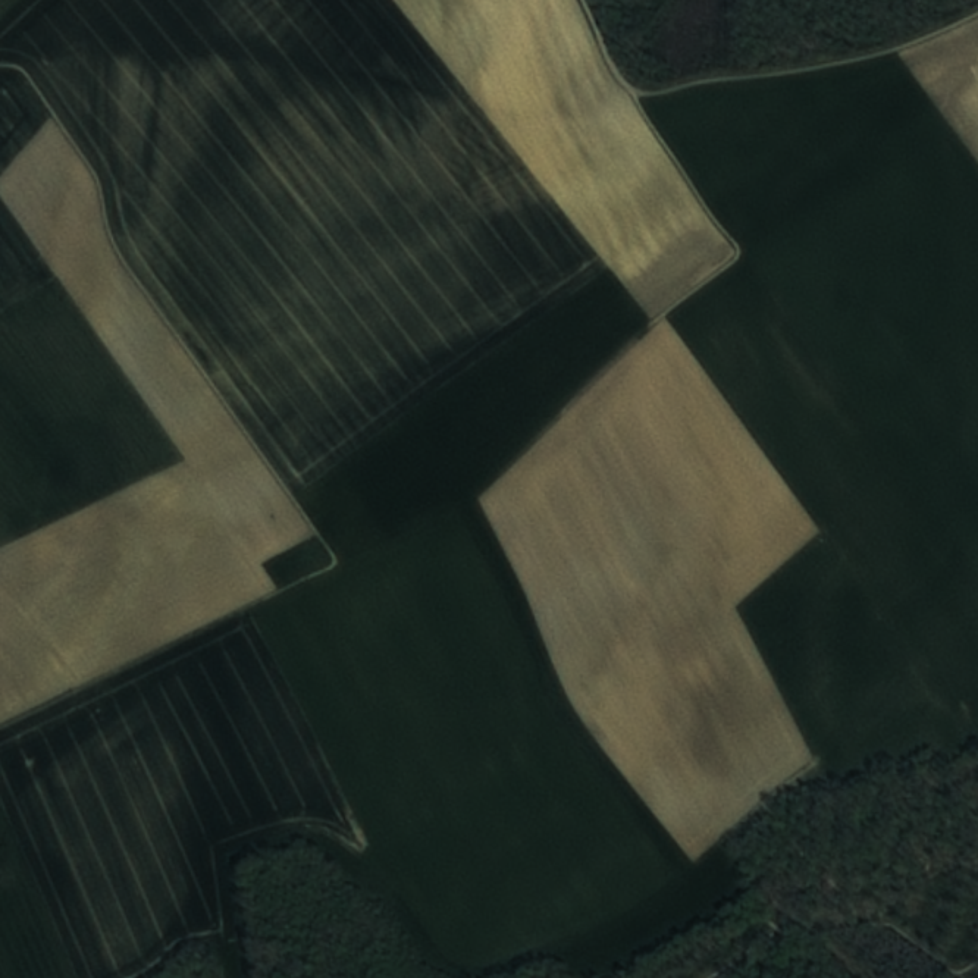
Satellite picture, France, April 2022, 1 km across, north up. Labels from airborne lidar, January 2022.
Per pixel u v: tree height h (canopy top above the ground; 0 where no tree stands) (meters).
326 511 0
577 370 0
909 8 22
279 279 0
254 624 0
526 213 0
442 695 0
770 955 26
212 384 0
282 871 15
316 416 0
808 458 0
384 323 0
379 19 0
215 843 0
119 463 0
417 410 0
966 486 0
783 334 0
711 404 0
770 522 0
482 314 0
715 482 0
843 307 0
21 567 0
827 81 0
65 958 0
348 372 0
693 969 25
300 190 0
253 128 0
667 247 0
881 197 0
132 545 0
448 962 0
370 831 0
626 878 0
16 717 0
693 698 0
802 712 0
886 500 0
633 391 0
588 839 0
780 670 0
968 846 27
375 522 0
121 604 0
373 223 0
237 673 0
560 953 0
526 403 0
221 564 0
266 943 19
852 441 0
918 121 0
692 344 0
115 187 0
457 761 0
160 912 0
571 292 0
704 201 0
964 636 0
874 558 0
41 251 0
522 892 0
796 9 25
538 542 0
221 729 0
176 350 0
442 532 0
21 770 0
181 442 0
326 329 0
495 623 0
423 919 0
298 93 0
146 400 0
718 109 0
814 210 0
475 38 0
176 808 0
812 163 0
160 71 0
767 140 0
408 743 0
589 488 0
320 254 0
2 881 0
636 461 0
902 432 0
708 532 0
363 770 0
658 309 0
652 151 0
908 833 29
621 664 0
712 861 0
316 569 0
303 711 0
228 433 0
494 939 0
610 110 0
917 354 0
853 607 0
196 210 0
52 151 0
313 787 0
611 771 0
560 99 0
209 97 0
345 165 0
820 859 32
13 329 0
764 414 0
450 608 0
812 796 19
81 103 0
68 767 0
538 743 0
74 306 0
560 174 0
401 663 0
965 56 0
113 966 0
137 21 0
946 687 0
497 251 0
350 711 0
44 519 0
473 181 0
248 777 0
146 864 0
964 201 0
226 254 0
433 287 0
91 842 0
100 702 0
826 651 0
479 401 0
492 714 0
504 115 0
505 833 0
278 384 0
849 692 0
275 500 0
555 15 0
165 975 18
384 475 0
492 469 0
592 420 0
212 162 0
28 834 0
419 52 0
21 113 0
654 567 0
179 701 0
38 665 0
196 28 0
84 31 0
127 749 0
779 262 0
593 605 0
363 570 0
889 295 0
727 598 0
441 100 0
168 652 0
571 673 0
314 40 0
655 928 0
